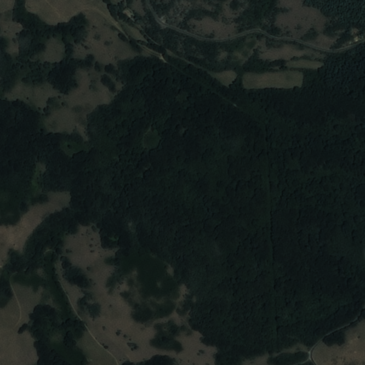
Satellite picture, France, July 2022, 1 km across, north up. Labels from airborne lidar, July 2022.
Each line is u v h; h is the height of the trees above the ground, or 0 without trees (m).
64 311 0
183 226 14
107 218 14
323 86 17
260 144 16
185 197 7
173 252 14
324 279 21
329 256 17
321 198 13
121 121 7
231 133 10
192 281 7
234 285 18
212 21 0
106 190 6
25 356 0
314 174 17
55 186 8
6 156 17
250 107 8
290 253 14
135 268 0
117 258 8
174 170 15
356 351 0
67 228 9
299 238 14
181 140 17
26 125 23
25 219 0
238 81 13
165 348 0
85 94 0
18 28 0
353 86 20
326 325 10
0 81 8
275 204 8
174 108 15
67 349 0
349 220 9
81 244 0
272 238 16
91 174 17
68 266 9
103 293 0
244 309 13
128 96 23
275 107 15
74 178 7
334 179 21
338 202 13
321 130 7
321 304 13
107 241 13
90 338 0
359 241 6
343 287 19
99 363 0
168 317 0
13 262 13
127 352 0
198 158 17
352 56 16
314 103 13
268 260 22
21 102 11
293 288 10
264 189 6
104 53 0
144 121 20
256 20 9
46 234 11
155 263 0
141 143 8
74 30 9
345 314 13
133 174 14
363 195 21
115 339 0
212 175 7
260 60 8
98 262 0
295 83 0
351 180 9
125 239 16
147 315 0
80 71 0
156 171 17
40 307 15
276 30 9
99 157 6
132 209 18
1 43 11
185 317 0
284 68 17
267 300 11
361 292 14
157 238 10
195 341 0
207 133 8
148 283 0
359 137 15
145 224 8
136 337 0
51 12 0
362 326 0
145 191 8
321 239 16
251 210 18
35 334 12
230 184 13
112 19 0
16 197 7
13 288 0
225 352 8
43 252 13
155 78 19
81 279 16
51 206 0
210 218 19
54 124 0
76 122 0
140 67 20
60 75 20
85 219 13
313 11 0
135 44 9
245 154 7
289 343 7
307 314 9
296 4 0
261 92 16
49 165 12
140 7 0
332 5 12
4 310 0
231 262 19
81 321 9
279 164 9
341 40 8
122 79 6
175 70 8
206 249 7
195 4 0
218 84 11
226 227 17
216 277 9
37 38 12
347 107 16
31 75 8
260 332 11
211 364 0
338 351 0
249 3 8
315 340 8
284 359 9
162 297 0
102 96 0
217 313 12
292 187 17
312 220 17
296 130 7
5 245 0
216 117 11
